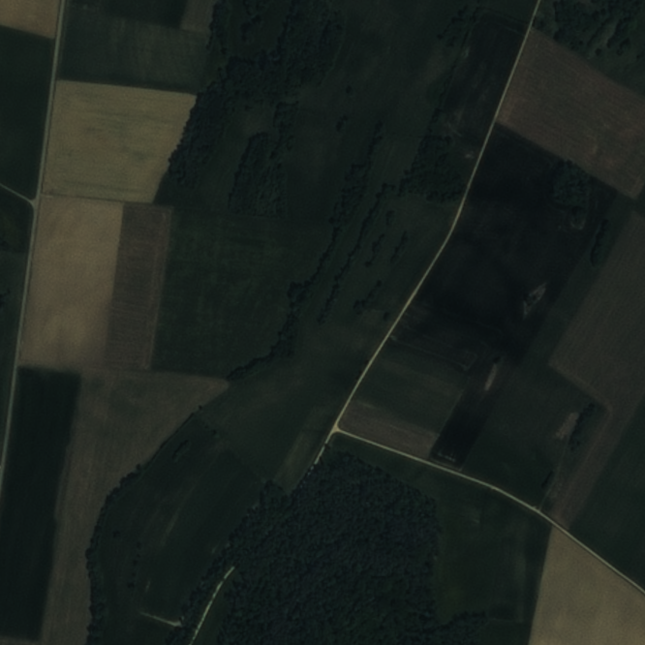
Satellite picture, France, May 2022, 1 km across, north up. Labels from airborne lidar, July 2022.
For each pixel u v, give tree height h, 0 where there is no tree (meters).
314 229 0
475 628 19
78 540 0
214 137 14
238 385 0
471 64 0
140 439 0
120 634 0
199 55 0
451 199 11
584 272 0
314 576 24
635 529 0
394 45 0
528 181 0
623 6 19
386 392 0
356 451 0
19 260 0
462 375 0
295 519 19
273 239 0
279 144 8
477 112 0
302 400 0
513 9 0
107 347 0
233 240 0
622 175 0
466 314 0
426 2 0
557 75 0
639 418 0
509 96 0
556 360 0
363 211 0
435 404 0
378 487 19
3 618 0
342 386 0
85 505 0
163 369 0
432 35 0
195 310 0
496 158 0
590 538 0
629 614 0
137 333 0
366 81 0
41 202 0
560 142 0
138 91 0
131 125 0
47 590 0
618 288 0
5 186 0
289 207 0
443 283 0
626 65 0
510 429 0
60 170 0
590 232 0
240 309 0
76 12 0
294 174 0
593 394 0
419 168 8
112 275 0
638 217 0
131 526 0
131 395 0
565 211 0
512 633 0
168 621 0
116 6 0
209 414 0
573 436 8
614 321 0
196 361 0
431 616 22
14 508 0
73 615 0
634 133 0
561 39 16
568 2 12
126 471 0
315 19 15
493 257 0
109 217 0
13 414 0
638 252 0
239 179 12
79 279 0
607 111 0
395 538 26
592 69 0
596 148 0
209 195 0
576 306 0
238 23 0
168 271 0
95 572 15
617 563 0
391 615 31
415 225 0
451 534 0
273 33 0
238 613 16
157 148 0
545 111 0
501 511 0
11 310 0
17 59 0
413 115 0
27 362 0
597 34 5
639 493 0
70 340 0
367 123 0
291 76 16
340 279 11
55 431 0
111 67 0
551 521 0
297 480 0
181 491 0
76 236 0
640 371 0
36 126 0
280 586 22
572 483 0
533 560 0
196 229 0
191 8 0
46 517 0
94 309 0
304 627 27
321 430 0
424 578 25
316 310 0
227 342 0
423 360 0
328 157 0
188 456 0
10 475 0
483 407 0
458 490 0
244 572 22
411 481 0
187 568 0
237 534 13
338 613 29
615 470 0
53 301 0
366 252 0
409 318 0
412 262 0
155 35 0
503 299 0
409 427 0
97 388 0
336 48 15
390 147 0
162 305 0
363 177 11
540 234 0
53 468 0
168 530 0
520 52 0
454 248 0
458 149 0
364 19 0
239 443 0
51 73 0
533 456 0
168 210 0
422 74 0
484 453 0
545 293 0
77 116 0
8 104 0
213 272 0
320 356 0
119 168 0
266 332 0
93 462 0
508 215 0
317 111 0
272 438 0
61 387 0
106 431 0
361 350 0
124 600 0
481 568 0
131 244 0
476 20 12
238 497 0
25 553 0
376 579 26
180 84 0
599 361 0
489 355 0
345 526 17
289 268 0
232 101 12
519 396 0
